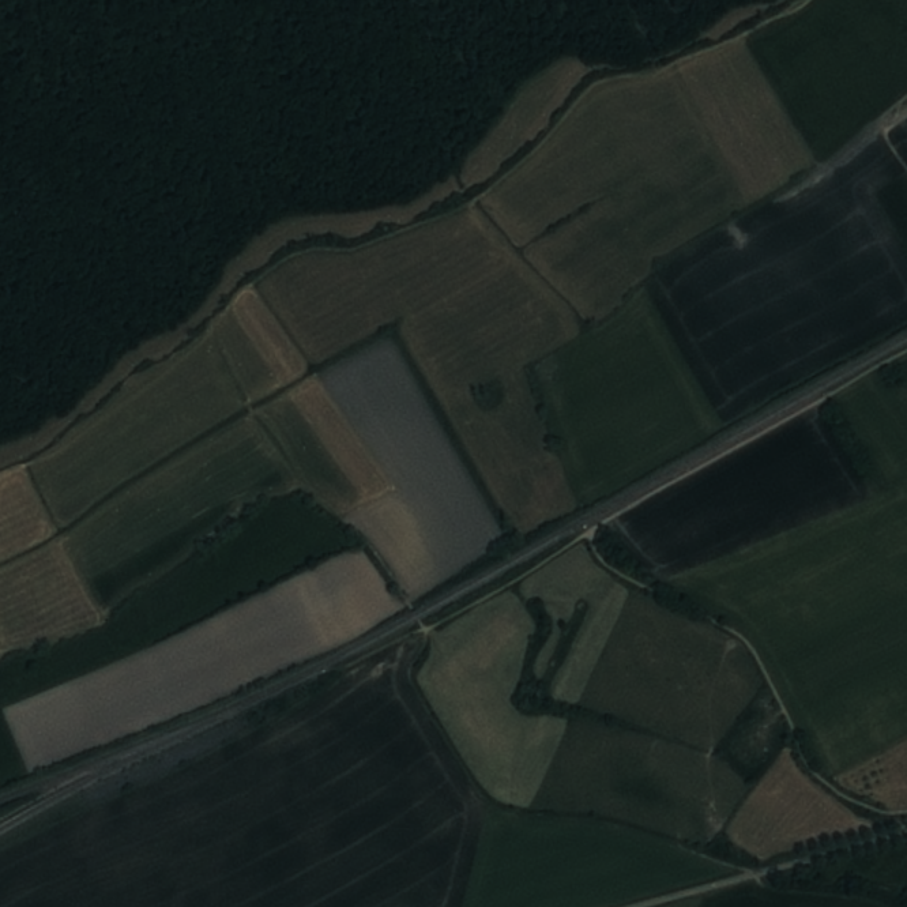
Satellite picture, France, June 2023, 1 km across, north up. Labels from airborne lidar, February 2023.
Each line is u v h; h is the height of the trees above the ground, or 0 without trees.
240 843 0
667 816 0
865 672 0
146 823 0
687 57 0
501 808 0
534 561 6
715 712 0
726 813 0
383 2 21
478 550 0
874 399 0
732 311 0
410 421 0
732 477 0
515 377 0
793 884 7
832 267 0
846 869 0
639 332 0
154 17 22
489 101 12
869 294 0
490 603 0
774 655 0
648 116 0
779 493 0
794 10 0
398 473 0
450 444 0
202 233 22
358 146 23
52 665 0
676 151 0
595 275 0
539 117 0
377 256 0
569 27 20
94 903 0
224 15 20
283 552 0
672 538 0
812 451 0
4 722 0
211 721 0
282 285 0
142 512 0
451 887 0
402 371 0
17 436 16
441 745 0
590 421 0
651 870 0
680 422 0
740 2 15
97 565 0
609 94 0
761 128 0
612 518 0
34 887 0
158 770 0
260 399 0
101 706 0
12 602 0
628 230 0
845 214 0
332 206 14
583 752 0
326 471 0
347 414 0
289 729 0
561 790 0
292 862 0
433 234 0
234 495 0
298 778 0
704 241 0
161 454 0
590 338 0
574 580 0
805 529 0
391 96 25
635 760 0
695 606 7
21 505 0
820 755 0
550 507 0
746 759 0
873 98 0
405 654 0
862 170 0
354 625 0
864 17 0
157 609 0
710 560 0
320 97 25
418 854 0
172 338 0
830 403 10
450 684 0
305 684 0
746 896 0
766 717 0
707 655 0
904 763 0
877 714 0
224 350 0
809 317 0
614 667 0
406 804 0
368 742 0
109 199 23
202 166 21
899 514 0
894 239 0
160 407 0
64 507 0
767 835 0
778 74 0
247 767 0
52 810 0
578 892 0
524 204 0
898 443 0
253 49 21
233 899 0
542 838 0
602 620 0
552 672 0
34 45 23
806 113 0
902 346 0
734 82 0
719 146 0
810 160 0
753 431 0
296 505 0
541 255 0
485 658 0
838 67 0
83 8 22
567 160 0
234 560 0
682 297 0
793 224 0
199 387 0
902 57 0
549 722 0
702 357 0
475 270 0
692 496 0
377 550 0
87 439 0
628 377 0
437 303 0
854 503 0
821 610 0
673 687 0
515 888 0
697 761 0
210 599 0
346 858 0
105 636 0
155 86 23
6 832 0
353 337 0
